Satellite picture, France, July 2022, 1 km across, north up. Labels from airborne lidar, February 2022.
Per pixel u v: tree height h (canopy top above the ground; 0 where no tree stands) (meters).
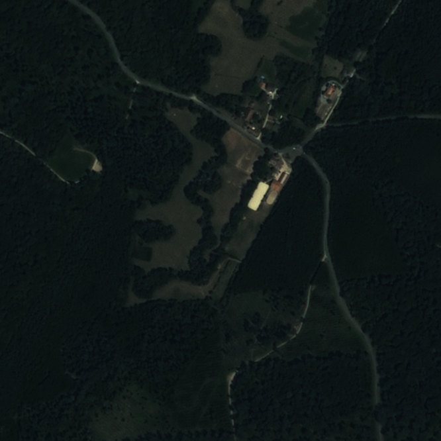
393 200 25
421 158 12
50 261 27
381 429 0
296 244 10
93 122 27
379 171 18
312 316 0
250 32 15
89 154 0
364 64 7
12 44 29
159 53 20
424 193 12
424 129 10
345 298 26
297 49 0
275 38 0
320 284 10
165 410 0
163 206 0
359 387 23
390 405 22
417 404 22
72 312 16
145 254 0
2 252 29
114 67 23
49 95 22
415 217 29
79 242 15
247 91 15
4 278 30
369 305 20
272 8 0
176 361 24
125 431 0
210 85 0
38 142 21
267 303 0
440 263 28
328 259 0
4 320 27
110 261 16
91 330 13
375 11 20
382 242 11
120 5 24
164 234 24
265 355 0
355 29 22
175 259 0
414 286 23
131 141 32
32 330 19
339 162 18
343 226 14
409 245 23
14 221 25
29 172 28
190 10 17
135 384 0
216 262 22
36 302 17
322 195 13
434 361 25
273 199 0
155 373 26
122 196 14
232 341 29
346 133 16
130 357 12
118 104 22
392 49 18
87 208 16
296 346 0
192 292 0
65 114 21
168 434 0
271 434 24
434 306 17
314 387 23
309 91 0
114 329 11
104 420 0
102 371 28
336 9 10
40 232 29
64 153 0
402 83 14
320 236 9
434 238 24
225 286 0
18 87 0
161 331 26
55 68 21
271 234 14
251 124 7
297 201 13
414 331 20
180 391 0
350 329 10
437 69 22
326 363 25
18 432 9
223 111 0
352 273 11
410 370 26
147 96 28
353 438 24
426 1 12
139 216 0
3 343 22
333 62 0
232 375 0
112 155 23
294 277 11
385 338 27
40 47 24
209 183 16
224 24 0
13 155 29
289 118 11
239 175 0
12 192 21
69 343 16
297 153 0
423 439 26
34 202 21
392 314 25
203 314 28
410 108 9
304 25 0
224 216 0
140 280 18
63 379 9
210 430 0
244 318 0
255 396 24
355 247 10
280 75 5
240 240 0
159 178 28
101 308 17
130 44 26
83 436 17
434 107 24
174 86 25
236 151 0
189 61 18
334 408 27
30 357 17
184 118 0
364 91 31
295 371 28
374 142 21
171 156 22
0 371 18
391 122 15
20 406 16
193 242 0
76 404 22
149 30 25
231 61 0
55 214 23
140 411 0
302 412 24
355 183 20
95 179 25
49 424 25
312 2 0
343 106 12
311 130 0
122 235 17
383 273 11
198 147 0
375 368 0
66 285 15
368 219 12
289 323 0
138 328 9
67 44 26
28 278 31
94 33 22
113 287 15
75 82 23
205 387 0
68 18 24
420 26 17
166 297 0
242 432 23
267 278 9
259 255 14
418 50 25
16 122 21
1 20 32
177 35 27
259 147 0
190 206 0
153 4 19
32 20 27
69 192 23
